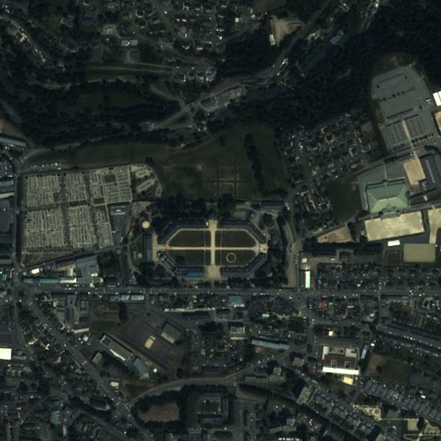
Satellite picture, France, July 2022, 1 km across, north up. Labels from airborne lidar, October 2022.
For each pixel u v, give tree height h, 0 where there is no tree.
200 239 0
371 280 0
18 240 14
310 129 7
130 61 0
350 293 0
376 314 8
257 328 0
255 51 15
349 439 15
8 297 0
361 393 0
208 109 0
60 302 0
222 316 0
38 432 0
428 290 0
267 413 0
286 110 9
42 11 19
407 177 0
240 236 0
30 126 15
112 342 0
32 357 0
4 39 20
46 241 0
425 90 0
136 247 0
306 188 8
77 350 0
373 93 0
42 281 0
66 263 0
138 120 15
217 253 0
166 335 0
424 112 0
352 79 10
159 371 0
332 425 13
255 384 0
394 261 0
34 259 0
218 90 0
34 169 0
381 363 0
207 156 0
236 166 0
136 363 0
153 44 0
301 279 0
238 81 0
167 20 0
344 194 0
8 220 0
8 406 0
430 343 0
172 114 15
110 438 0
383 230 0
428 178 0
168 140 12
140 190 0
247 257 0
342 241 0
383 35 13
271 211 0
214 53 11
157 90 0
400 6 21
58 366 7
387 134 0
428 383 0
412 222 0
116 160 0
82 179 0
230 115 0
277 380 0
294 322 9
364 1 6
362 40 17
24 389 15
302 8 16
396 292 0
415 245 0
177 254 0
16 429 0
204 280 0
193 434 0
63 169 0
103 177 0
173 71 0
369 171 0
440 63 15
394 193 0
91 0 0
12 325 0
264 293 0
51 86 0
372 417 6
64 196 0
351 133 0
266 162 0
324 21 12
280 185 0
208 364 0
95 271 0
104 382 0
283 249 11
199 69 0
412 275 0
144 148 0
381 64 0
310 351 13
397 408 0
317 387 0
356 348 0
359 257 0
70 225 0
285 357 0
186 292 0
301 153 0
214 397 0
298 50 23
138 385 0
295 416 9
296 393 0
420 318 0
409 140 0
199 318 0
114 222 0
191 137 0
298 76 13
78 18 8
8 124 0
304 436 13
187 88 7
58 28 0
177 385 0
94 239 0
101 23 14
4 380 19
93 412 14
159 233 21
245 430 0
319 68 9
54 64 10
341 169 0
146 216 12
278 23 0
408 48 12
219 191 0
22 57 16
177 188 0
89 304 0
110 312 0
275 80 6
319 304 0
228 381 0
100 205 0
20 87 20
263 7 0
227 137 0
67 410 0
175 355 0
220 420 0
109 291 0
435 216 0
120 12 8
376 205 0
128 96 0
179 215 21
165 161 0
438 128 8
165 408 0
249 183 0
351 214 0
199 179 0
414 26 20
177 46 10
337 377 15
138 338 0
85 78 26
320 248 15
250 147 8
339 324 0
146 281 15
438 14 8
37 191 0
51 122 22
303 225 0
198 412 0
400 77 0
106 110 13
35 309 0
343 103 12
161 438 0
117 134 15
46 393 17
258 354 0
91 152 0
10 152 9
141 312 0
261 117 13
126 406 0
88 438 8
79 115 21
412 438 0
